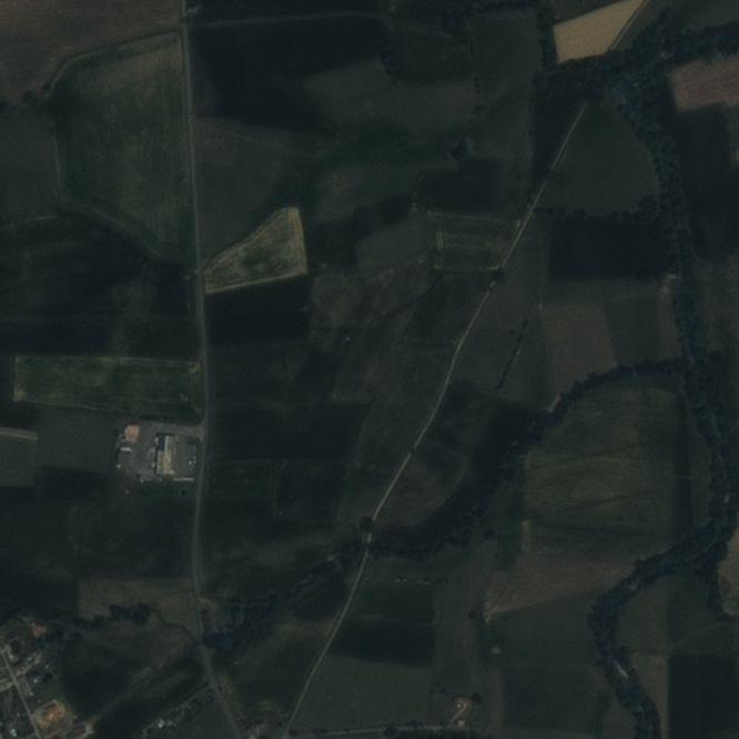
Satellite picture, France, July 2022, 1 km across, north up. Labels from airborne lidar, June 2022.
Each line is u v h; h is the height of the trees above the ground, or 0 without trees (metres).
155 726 0
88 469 0
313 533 0
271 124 0
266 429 0
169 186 0
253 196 0
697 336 16
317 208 0
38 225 0
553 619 0
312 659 0
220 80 0
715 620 0
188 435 0
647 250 0
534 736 0
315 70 0
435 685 0
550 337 0
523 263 0
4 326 0
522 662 0
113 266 0
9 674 0
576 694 0
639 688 14
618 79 8
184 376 0
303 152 0
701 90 0
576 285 0
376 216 0
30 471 0
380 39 0
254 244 0
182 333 0
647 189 0
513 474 19
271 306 0
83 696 0
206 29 0
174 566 0
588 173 0
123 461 0
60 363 0
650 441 0
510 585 0
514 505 0
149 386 0
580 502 0
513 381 0
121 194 0
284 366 0
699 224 0
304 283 0
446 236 0
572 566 0
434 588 0
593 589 0
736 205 0
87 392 0
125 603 0
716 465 12
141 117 0
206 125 0
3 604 0
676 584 0
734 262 0
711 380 16
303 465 0
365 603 0
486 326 0
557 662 0
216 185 0
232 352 0
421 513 0
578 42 0
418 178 0
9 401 0
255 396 0
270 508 0
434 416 0
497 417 0
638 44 18
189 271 0
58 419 0
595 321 0
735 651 0
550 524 0
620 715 0
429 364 0
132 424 0
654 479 0
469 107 0
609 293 0
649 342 0
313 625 0
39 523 0
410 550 9
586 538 0
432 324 0
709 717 0
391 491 0
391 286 0
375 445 0
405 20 0
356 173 0
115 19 0
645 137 17
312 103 0
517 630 0
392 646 0
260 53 0
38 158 0
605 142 0
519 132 0
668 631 0
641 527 0
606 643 21
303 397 0
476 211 0
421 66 0
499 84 0
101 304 0
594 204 0
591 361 0
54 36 0
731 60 0
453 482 0
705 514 0
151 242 0
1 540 0
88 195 0
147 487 0
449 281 0
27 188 0
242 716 0
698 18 0
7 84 0
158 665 0
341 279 0
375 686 0
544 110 0
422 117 0
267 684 0
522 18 0
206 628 12
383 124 0
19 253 0
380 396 0
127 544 0
